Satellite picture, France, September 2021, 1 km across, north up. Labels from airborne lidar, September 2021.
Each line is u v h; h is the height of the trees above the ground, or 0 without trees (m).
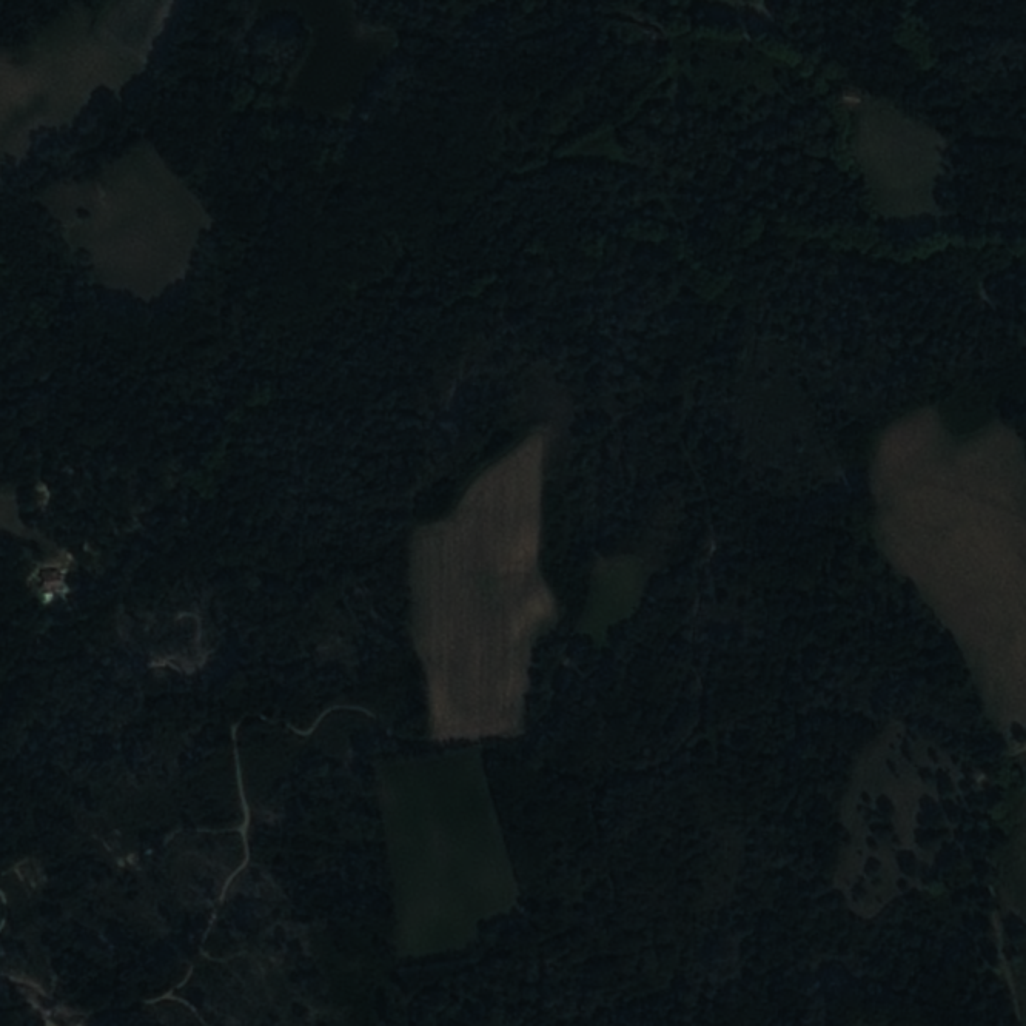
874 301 22
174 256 0
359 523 23
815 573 15
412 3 7
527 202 25
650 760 11
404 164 31
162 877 16
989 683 0
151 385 21
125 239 0
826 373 11
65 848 9
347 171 14
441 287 20
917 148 0
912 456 0
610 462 13
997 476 0
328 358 22
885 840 8
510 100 21
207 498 28
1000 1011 16
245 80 30
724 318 13
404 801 0
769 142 20
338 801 22
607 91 10
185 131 20
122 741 18
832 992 23
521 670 0
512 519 0
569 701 17
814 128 22
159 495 25
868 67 20
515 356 20
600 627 0
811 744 25
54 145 26
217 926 20
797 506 12
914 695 18
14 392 20
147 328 26
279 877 11
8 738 28
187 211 0
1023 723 0
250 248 20
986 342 19
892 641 21
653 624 20
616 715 27
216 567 16
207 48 32
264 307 29
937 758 12
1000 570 0
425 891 0
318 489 19
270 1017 0
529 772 15
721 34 23
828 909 13
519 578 0
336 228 25
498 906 0
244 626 22
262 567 16
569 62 12
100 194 0
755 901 16
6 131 0
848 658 10
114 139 22
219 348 21
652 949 22
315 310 23
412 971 13
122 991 19
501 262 21
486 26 17
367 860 9
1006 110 26
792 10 24
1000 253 13
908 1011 20
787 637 22
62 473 22
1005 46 30
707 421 6
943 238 20
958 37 25
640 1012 8
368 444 17
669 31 21
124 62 0
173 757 0
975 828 16
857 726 22
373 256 34
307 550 24
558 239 24
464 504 0
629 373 31
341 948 12
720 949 21
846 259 16
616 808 13
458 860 0
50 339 27
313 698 13
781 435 0
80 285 11
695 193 15
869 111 0
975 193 21
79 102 0
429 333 21
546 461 0
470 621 0
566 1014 24
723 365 14
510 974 21
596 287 24
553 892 6
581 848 9
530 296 22
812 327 15
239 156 36
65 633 30
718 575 14
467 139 31
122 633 0
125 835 0
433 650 0
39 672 26
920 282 21
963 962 21
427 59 27
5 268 24
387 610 17
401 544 21
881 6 13
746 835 7
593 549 15
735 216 22
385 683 9
